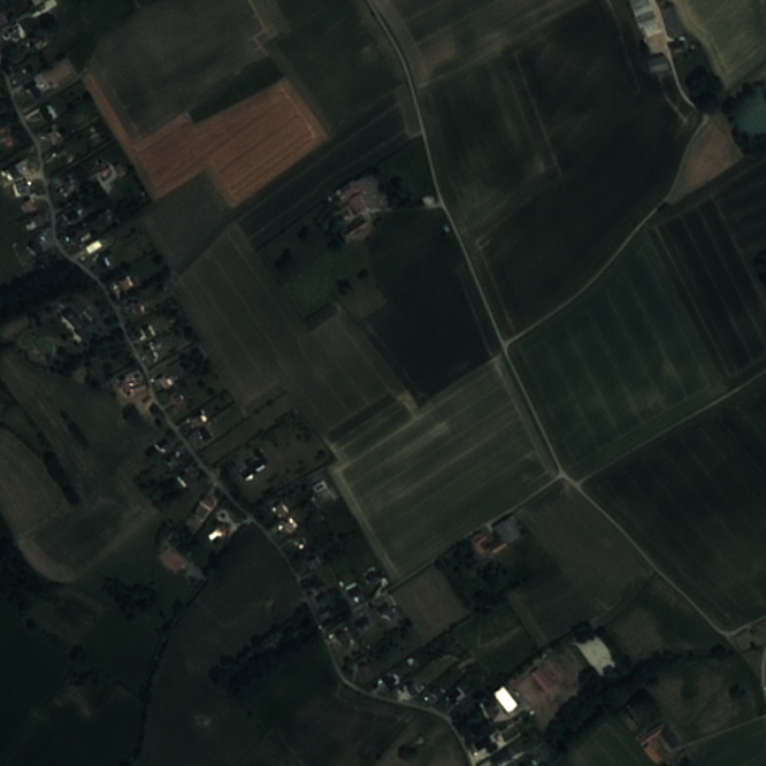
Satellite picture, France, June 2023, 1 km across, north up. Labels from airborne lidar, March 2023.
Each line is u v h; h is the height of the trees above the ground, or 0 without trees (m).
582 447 0
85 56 0
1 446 0
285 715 0
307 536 0
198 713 0
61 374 9
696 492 0
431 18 0
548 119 0
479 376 0
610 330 0
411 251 0
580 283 0
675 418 0
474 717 14
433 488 0
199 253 0
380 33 0
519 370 0
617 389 0
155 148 0
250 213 0
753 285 0
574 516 0
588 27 0
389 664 0
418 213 0
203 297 0
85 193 16
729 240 0
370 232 0
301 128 0
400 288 0
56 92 0
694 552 0
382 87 0
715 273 0
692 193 0
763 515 0
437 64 0
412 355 0
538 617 0
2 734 0
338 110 0
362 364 0
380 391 0
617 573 0
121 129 0
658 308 0
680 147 0
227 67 0
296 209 0
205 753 0
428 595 0
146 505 0
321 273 0
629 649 0
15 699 0
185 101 0
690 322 0
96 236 7
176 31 0
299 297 0
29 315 12
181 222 0
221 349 0
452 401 0
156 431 0
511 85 0
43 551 0
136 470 0
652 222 0
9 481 0
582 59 0
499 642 0
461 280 0
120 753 0
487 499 0
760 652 0
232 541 10
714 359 0
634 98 0
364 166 0
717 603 0
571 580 0
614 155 0
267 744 0
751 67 0
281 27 0
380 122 0
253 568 0
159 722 0
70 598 0
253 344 0
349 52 0
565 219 0
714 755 0
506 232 0
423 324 0
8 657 0
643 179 0
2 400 0
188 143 0
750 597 0
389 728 0
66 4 0
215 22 0
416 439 0
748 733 0
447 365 0
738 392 0
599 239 0
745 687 0
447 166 0
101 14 0
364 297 0
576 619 0
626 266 0
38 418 0
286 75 0
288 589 0
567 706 8
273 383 0
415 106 0
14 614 0
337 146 0
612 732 0
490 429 0
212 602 0
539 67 0
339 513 0
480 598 7
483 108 0
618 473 0
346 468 0
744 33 0
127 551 0
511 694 0
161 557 0
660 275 0
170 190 0
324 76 0
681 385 0
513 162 0
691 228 0
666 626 0
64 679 0
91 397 0
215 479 0
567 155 0
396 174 0
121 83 0
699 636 0
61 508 0
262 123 0
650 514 0
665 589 0
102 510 0
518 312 0
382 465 0
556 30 0
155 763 0
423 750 0
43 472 0
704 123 0
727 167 0
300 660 0
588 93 0
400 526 0
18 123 7
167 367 0
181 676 0
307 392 0
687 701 0
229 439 0
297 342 0
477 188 0
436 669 0
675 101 0
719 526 0
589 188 0
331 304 0
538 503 0
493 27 0
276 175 0
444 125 0
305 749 0
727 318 0
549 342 0
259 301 0
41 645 0
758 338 0
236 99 0
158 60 0
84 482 0
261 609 0
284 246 0
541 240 0
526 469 0
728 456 0
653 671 17
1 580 15
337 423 0
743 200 0
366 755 0
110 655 0
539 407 0
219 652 0
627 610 0
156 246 0
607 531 0
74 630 0
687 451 0
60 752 0
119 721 0
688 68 0
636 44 0
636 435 0
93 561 0
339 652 0
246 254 0
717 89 14
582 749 0
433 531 0
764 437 0
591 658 0
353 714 0
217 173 0
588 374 0
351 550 0
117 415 0
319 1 0
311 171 0
